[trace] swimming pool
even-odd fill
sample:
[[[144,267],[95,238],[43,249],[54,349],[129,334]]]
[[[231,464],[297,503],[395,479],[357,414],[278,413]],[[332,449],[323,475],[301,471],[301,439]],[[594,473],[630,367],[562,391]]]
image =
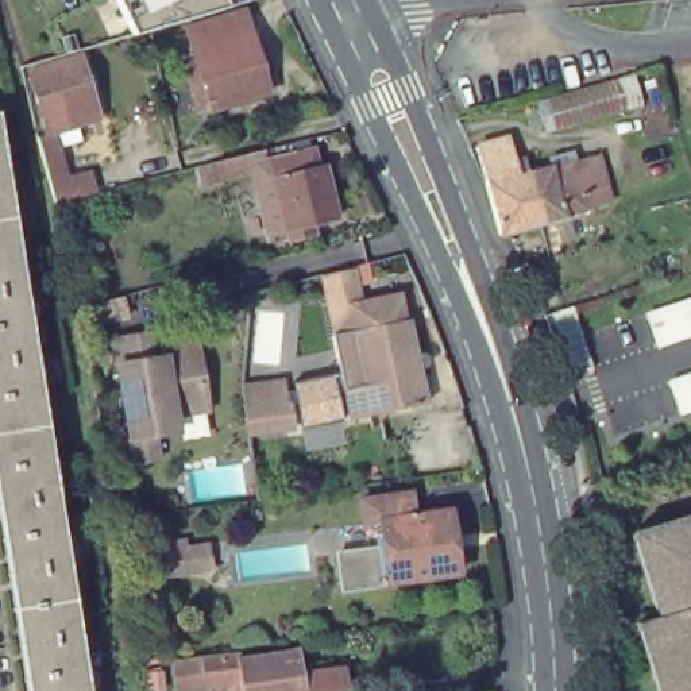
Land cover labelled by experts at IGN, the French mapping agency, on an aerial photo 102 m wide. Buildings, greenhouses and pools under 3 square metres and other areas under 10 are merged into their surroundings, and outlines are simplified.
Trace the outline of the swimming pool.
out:
[[[246,494],[246,480],[243,467],[219,464],[213,470],[194,472],[197,497],[229,497]]]
[[[270,370],[281,364],[281,310],[259,310],[256,310],[254,364],[265,364]]]
[[[302,545],[251,551],[248,545],[246,548],[238,556],[238,572],[248,583],[283,580],[294,572],[308,572],[313,564],[308,556],[308,545]]]

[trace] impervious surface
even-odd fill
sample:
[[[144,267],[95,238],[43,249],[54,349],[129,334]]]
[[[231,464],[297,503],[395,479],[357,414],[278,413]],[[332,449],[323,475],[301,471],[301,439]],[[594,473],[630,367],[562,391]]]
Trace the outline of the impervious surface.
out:
[[[81,121],[76,127],[81,132],[81,140],[65,151],[67,173],[92,175],[100,192],[108,192],[111,184],[103,173],[124,162],[121,151],[113,154],[111,148],[111,119],[105,116],[94,124]]]
[[[143,332],[151,308],[140,302],[130,310],[130,324],[121,324],[111,316],[103,319],[97,327],[105,337],[116,337]]]
[[[259,532],[248,545],[251,551],[302,545],[297,532],[273,537]]]
[[[227,594],[235,586],[248,583],[238,572],[238,556],[246,548],[229,543],[211,545],[217,572],[184,578],[200,580],[202,586],[219,591]]]
[[[254,364],[256,310],[238,313],[235,332],[243,335],[246,383],[283,381],[286,391],[294,391],[300,383],[329,378],[337,372],[332,348],[297,356],[300,305],[294,302],[283,305],[281,310],[281,364],[270,370],[265,364]]]
[[[583,224],[572,221],[572,229],[561,229],[556,219],[545,216],[543,227],[551,232],[553,251],[561,248],[561,243],[583,240]]]
[[[267,219],[254,208],[251,181],[232,178],[227,184],[232,189],[232,200],[238,202],[246,238],[259,238],[270,243],[275,235]]]
[[[346,445],[346,432],[351,426],[362,426],[351,413],[340,413],[340,418],[310,424],[302,437],[292,437],[297,448],[313,453],[332,445]]]
[[[100,5],[105,32],[127,30],[121,11],[111,0],[105,0]]]
[[[27,691],[16,629],[3,629],[0,607],[0,691]]]
[[[319,151],[324,143],[316,132],[289,138],[278,140],[281,146],[275,146],[270,154],[300,148]]]
[[[572,16],[572,8],[602,8],[626,3],[653,5],[651,22],[642,32],[605,30],[588,22],[578,22]],[[472,432],[475,451],[483,462],[480,483],[429,491],[418,499],[421,513],[437,507],[453,507],[459,513],[462,548],[467,561],[478,559],[478,545],[489,545],[491,540],[499,545],[505,591],[513,602],[502,610],[502,618],[494,621],[497,632],[497,656],[507,661],[507,669],[499,675],[502,691],[561,691],[580,661],[580,653],[564,642],[556,615],[561,605],[567,610],[575,610],[575,591],[572,586],[564,586],[556,575],[551,575],[548,540],[556,537],[556,524],[572,513],[575,499],[591,491],[591,483],[586,462],[572,456],[559,459],[556,451],[551,451],[543,443],[543,432],[548,416],[553,413],[559,413],[561,418],[578,418],[586,429],[597,424],[605,443],[624,445],[629,435],[645,435],[653,426],[675,426],[683,421],[683,416],[678,410],[669,383],[672,378],[691,372],[691,337],[664,348],[656,346],[648,316],[583,335],[591,358],[583,378],[580,391],[572,391],[570,399],[559,405],[518,405],[518,399],[510,391],[507,370],[502,362],[513,354],[513,348],[521,340],[526,340],[529,327],[491,327],[480,302],[480,294],[491,289],[497,270],[505,265],[507,254],[516,251],[513,240],[507,238],[497,235],[494,227],[478,146],[472,140],[470,124],[464,121],[464,108],[472,105],[475,97],[480,100],[480,105],[491,105],[548,84],[567,81],[570,86],[580,84],[586,92],[591,92],[634,76],[640,67],[659,65],[661,57],[672,59],[675,73],[691,65],[691,0],[283,0],[283,16],[294,24],[300,43],[310,57],[319,78],[321,84],[332,107],[329,116],[332,121],[327,127],[346,130],[354,121],[359,151],[348,151],[348,154],[354,162],[362,165],[370,186],[375,189],[372,200],[375,211],[383,211],[383,216],[378,221],[370,221],[370,232],[378,240],[346,246],[343,251],[327,251],[321,256],[302,259],[275,256],[267,267],[248,267],[240,259],[232,259],[224,270],[216,273],[213,283],[216,300],[270,287],[286,283],[321,274],[324,277],[371,265],[377,254],[404,248],[412,266],[412,270],[402,273],[372,270],[375,283],[362,289],[364,300],[405,294],[405,305],[416,327],[421,354],[435,356],[445,356],[451,364],[462,397],[462,416]]]
[[[194,472],[213,470],[219,464],[216,459],[197,459],[184,464],[184,475],[178,480],[178,491],[184,494],[192,516],[211,507],[227,507],[232,502],[229,497],[197,497]]]
[[[364,526],[364,532],[359,532],[356,526],[351,526],[351,540],[346,543],[346,548],[386,545],[386,534],[375,526]]]

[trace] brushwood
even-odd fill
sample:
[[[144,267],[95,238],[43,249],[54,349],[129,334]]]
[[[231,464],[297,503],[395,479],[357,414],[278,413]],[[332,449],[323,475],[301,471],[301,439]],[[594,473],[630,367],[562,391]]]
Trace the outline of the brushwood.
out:
[[[483,462],[475,451],[462,464],[424,470],[424,486],[429,491],[480,483]]]
[[[70,394],[78,394],[81,372],[78,351],[73,343],[73,327],[67,319],[57,313],[57,337],[67,389]]]
[[[480,607],[475,610],[478,621],[480,626],[491,626],[497,632],[494,621],[502,618],[502,610],[513,602],[505,591],[499,545],[491,540],[489,545],[478,545],[478,559],[467,561],[467,570],[489,570],[494,591],[489,599],[480,597]]]
[[[575,308],[578,316],[618,306],[626,297],[641,300],[691,283],[691,251],[667,254],[667,262],[675,267],[675,275],[642,281],[640,286],[618,289],[610,297],[578,305]]]
[[[683,97],[680,92],[669,92],[667,70],[664,65],[659,65],[640,67],[634,76],[642,103],[659,100],[669,111],[669,121],[680,127]]]
[[[491,105],[480,105],[480,100],[475,97],[472,105],[464,108],[464,121],[470,124],[491,116],[497,120],[513,119],[521,116],[526,108],[537,108],[540,100],[561,97],[570,86],[567,81],[548,84]]]
[[[0,92],[13,92],[13,84],[11,84],[11,73],[8,73],[8,51],[5,51],[5,43],[3,43],[3,38],[0,38]]]
[[[327,127],[327,138],[348,143],[348,151],[359,151],[354,121],[346,130]]]
[[[3,629],[16,629],[11,580],[0,583],[0,607]]]

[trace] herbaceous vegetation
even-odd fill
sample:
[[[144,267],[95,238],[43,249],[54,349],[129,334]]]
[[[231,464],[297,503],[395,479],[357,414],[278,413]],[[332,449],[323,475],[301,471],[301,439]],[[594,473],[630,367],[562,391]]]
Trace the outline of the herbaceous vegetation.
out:
[[[297,356],[332,348],[327,297],[321,286],[324,277],[321,274],[286,283],[294,289],[294,302],[300,305]]]
[[[216,300],[211,302],[211,310],[238,313],[256,310],[259,310],[259,305],[267,300],[270,287]]]
[[[89,445],[81,432],[86,426],[94,426],[100,418],[100,383],[94,378],[94,370],[81,372],[78,394],[70,394],[67,389],[57,337],[57,313],[54,297],[43,289],[43,275],[51,270],[51,227],[46,213],[46,197],[35,130],[30,121],[27,94],[16,67],[65,51],[65,35],[70,30],[81,30],[97,49],[89,51],[86,59],[97,81],[105,116],[111,119],[111,148],[113,154],[121,151],[121,132],[130,121],[135,127],[148,124],[148,146],[162,146],[165,151],[186,151],[192,146],[205,143],[200,138],[200,130],[205,127],[205,119],[200,113],[181,116],[178,111],[157,116],[157,78],[148,67],[132,65],[127,57],[127,46],[135,38],[127,30],[105,32],[100,5],[105,0],[0,0],[0,38],[3,38],[3,43],[5,43],[5,51],[8,51],[8,73],[11,73],[11,84],[13,84],[13,92],[0,92],[0,111],[5,113],[13,157],[32,297],[38,310],[57,448],[65,478],[67,518],[92,651],[94,691],[124,691],[119,686],[116,661],[111,653],[111,564],[105,556],[97,556],[94,543],[84,537],[84,513],[89,510],[89,505],[76,494],[73,480],[73,456],[78,456]]]
[[[626,297],[618,306],[578,316],[583,335],[648,316],[651,310],[691,300],[691,283],[641,300]]]
[[[316,470],[324,480],[327,475],[346,472],[346,464],[340,462],[348,459],[362,462],[359,497],[413,491],[418,499],[429,491],[424,486],[424,470],[416,464],[408,467],[410,472],[405,480],[386,480],[381,475],[381,467],[389,456],[410,453],[413,429],[405,426],[402,418],[386,416],[372,416],[372,424],[362,426],[351,426],[346,432],[346,445],[332,445],[313,453],[297,448],[292,437],[254,440],[251,435],[246,435],[246,405],[240,389],[246,383],[243,335],[235,332],[232,337],[216,335],[216,346],[208,348],[208,418],[208,426],[211,426],[208,437],[197,437],[197,440],[184,440],[184,437],[173,443],[165,459],[148,470],[151,480],[138,486],[138,502],[132,507],[140,507],[148,516],[159,518],[167,543],[186,540],[192,545],[211,545],[229,543],[227,526],[221,526],[219,537],[192,534],[192,516],[184,494],[178,491],[178,480],[167,472],[167,462],[186,445],[197,459],[216,459],[219,464],[243,467],[246,480],[278,464],[281,459],[286,464]]]
[[[391,618],[391,597],[397,588],[362,591],[356,599],[372,607],[375,615]]]
[[[618,518],[624,526],[624,564],[610,572],[607,583],[615,605],[624,613],[621,629],[632,637],[632,642],[624,645],[624,664],[626,678],[637,691],[656,691],[651,683],[651,667],[645,645],[637,634],[637,624],[656,621],[659,610],[642,591],[642,567],[634,551],[634,534],[691,516],[691,497],[672,499],[667,486],[656,486],[653,499],[659,502],[659,507],[629,507],[607,502],[605,494],[591,491],[575,499],[572,513],[575,518],[580,518],[597,510]]]
[[[200,610],[200,615],[213,607],[213,594],[219,591],[202,586],[200,580],[184,578],[165,583],[186,607]]]
[[[319,92],[294,94],[302,108],[302,121],[329,116],[332,107],[321,84]]]
[[[510,138],[524,170],[548,167],[548,157]]]
[[[232,200],[232,189],[227,184],[221,189],[202,192],[202,186],[197,186],[194,181],[194,170],[173,167],[167,175],[146,181],[148,192],[165,200],[165,208],[157,219],[127,221],[124,229],[116,238],[111,238],[111,246],[100,251],[100,265],[105,267],[105,294],[111,300],[124,297],[130,310],[140,302],[151,308],[157,281],[148,281],[143,270],[135,267],[135,262],[140,262],[140,251],[154,240],[170,246],[173,259],[181,262],[181,278],[186,283],[213,283],[216,273],[224,270],[232,259],[216,243],[216,238],[246,238],[238,202]]]
[[[591,483],[602,478],[615,480],[621,475],[640,472],[640,467],[645,464],[661,464],[669,451],[691,456],[691,413],[683,416],[683,421],[675,426],[653,426],[645,435],[629,435],[624,445],[605,443],[597,424],[586,429],[586,462]]]
[[[383,216],[383,211],[375,211],[372,200],[354,197],[348,202],[348,192],[337,194],[343,213],[329,221],[329,229],[351,221],[370,221],[378,221]]]
[[[578,22],[588,22],[605,30],[642,32],[651,22],[653,5],[626,3],[602,8],[572,8],[572,16]]]
[[[618,113],[607,113],[594,121],[580,121],[583,130],[615,127],[624,135],[624,165],[607,173],[610,192],[618,197],[597,208],[583,224],[583,240],[561,243],[561,248],[553,251],[553,259],[561,270],[561,286],[570,294],[578,294],[578,305],[610,297],[618,289],[640,286],[642,281],[675,275],[675,267],[667,262],[667,254],[691,251],[691,65],[675,73],[672,59],[661,57],[659,65],[664,65],[667,70],[669,92],[680,92],[683,97],[680,127],[669,121],[669,111],[659,100],[642,103],[642,108],[626,105]]]
[[[371,265],[372,270],[402,273],[412,270],[412,266],[404,248],[377,254]]]
[[[489,599],[494,591],[489,570],[467,570],[467,575],[470,580],[475,580],[480,597]]]
[[[313,78],[319,78],[310,57],[300,43],[294,24],[283,16],[273,27],[281,38],[283,57],[297,59],[310,70]]]
[[[208,634],[205,645],[189,637],[186,645],[194,656],[221,656],[227,653],[227,648],[238,632],[246,634],[259,629],[267,637],[265,648],[278,651],[289,651],[297,642],[275,632],[275,626],[270,624],[273,618],[294,607],[316,610],[316,615],[332,634],[346,634],[346,624],[364,621],[364,615],[354,613],[348,605],[354,599],[340,594],[335,567],[329,559],[319,556],[313,564],[308,572],[294,572],[283,580],[248,583],[235,586],[227,594],[232,599],[232,615],[216,624],[216,632]]]
[[[181,27],[167,27],[138,38],[143,49],[175,51],[181,59],[189,54],[189,40]]]
[[[246,494],[229,497],[232,502],[238,507],[238,516],[259,532],[273,537],[297,532],[351,526],[356,526],[362,518],[356,499],[316,502],[305,510],[292,507],[283,513],[267,513],[256,518],[259,502],[254,494]]]

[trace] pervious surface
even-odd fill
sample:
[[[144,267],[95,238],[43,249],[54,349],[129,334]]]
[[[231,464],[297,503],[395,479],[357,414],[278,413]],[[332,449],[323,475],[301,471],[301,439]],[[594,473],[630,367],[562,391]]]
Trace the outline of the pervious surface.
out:
[[[337,157],[348,154],[348,151],[348,143],[327,138],[327,127],[332,121],[329,116],[302,121],[289,132],[289,138],[316,132],[324,143],[319,151],[319,159],[329,165],[335,175],[340,175]]]
[[[516,251],[507,254],[505,265],[537,273],[543,278],[545,294],[540,297],[534,310],[543,321],[548,321],[553,321],[556,310],[575,308],[578,305],[578,294],[570,294],[561,286],[561,270],[553,259],[553,251],[551,232],[543,227],[507,238],[513,240]]]
[[[194,170],[216,162],[221,165],[232,157],[254,151],[270,154],[275,146],[281,146],[278,140],[254,143],[251,135],[246,135],[238,138],[235,151],[221,151],[219,143],[205,143],[192,146],[186,151],[165,151],[162,146],[148,146],[148,124],[135,127],[130,121],[121,132],[121,151],[124,162],[103,173],[111,184],[130,178],[146,181],[167,175],[173,167]]]
[[[205,416],[192,416],[192,418],[189,418],[189,424],[184,426],[184,437],[184,440],[197,440],[197,437],[208,437],[211,426],[208,426],[208,418],[205,418]]]
[[[602,159],[607,173],[624,165],[624,135],[615,127],[583,130],[580,121],[559,124],[551,132],[543,124],[537,108],[526,108],[521,116],[513,119],[497,120],[491,116],[470,124],[472,140],[478,146],[497,138],[510,138],[548,157],[575,151],[578,159]]]
[[[424,470],[462,464],[475,451],[472,432],[462,416],[462,397],[451,364],[445,356],[435,356],[435,367],[424,370],[426,389],[435,397],[424,405],[394,408],[386,416],[402,418],[405,426],[413,429],[410,453],[416,464]]]
[[[273,27],[283,16],[283,0],[265,0],[248,3],[248,13],[270,65],[273,84],[267,86],[267,94],[273,97],[294,94],[319,92],[321,84],[319,78],[313,78],[310,70],[297,59],[283,57],[281,38]]]

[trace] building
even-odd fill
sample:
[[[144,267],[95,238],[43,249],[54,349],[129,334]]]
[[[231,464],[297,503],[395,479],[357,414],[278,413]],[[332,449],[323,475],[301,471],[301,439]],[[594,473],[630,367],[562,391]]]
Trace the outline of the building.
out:
[[[543,227],[545,216],[556,219],[561,229],[572,229],[572,221],[583,224],[597,208],[618,197],[610,192],[607,173],[602,159],[578,159],[575,151],[548,157],[548,167],[524,170],[510,138],[497,138],[478,146],[494,227],[497,235],[507,238]]]
[[[308,556],[313,564],[319,556],[329,559],[335,567],[340,594],[354,599],[356,599],[362,591],[397,588],[453,580],[467,575],[467,570],[467,561],[462,548],[459,513],[453,507],[437,507],[421,513],[418,499],[413,491],[359,497],[356,499],[362,518],[356,526],[359,532],[364,532],[364,526],[375,526],[386,534],[386,545],[346,548],[346,543],[351,540],[351,526],[297,532],[302,545],[308,545]]]
[[[651,667],[651,683],[656,691],[691,691],[691,516],[634,534],[634,551],[642,567],[642,591],[659,610],[656,621],[637,624],[637,634],[645,645]]]
[[[551,132],[559,124],[580,121],[594,121],[607,113],[618,113],[626,105],[642,108],[642,103],[634,76],[591,92],[586,92],[580,84],[570,86],[561,97],[540,100],[537,108],[543,124]]]
[[[184,578],[217,572],[211,545],[192,545],[186,540],[167,543],[167,551],[162,553],[165,583]]]
[[[130,324],[130,310],[124,297],[111,300],[111,316],[121,324]]]
[[[372,270],[371,265],[324,277],[321,286],[327,297],[332,348],[337,372],[329,378],[300,383],[294,391],[286,391],[283,381],[246,383],[240,389],[246,405],[246,435],[251,435],[254,440],[292,437],[302,437],[310,424],[340,418],[340,413],[351,413],[362,426],[372,424],[372,416],[386,416],[394,408],[424,405],[435,397],[426,389],[424,370],[435,367],[435,356],[421,354],[416,327],[405,305],[405,294],[364,300],[362,289],[375,283]]]
[[[691,337],[691,300],[651,310],[648,316],[656,346],[664,348]]]
[[[683,416],[691,413],[691,372],[672,378],[669,383],[678,410]]]
[[[181,116],[200,113],[205,119],[213,113],[251,113],[273,97],[267,94],[267,86],[273,84],[270,65],[248,13],[248,3],[265,0],[111,0],[121,11],[127,30],[135,38],[138,38],[167,27],[181,27],[189,40],[189,54],[181,59],[184,70],[189,70],[192,78],[189,100],[178,111]]]
[[[232,157],[221,165],[216,162],[194,170],[194,181],[197,186],[202,186],[202,192],[221,189],[227,184],[232,178],[251,181],[254,208],[267,219],[275,235],[270,243],[289,246],[300,240],[313,240],[319,238],[319,229],[329,229],[329,221],[343,213],[337,194],[335,175],[329,165],[319,159],[319,151],[300,148],[270,154],[254,151]]]
[[[0,111],[0,583],[11,580],[16,629],[27,691],[94,691],[92,651],[67,518],[65,478],[57,448],[38,310],[32,297],[13,157],[5,113]]]
[[[86,59],[89,51],[97,49],[81,30],[70,30],[65,35],[65,51],[16,67],[27,94],[30,121],[35,130],[46,197],[57,202],[76,197],[92,200],[100,192],[92,175],[67,173],[65,151],[81,140],[81,132],[76,127],[81,121],[94,124],[105,116],[97,81]]]
[[[553,321],[548,321],[543,332],[564,337],[570,343],[578,359],[575,375],[583,378],[591,358],[583,335],[578,316],[575,308],[556,310]]]
[[[103,367],[113,381],[119,381],[121,408],[127,416],[127,435],[130,443],[140,448],[148,470],[165,459],[173,443],[184,437],[184,426],[189,424],[189,418],[192,418],[192,416],[205,416],[205,418],[208,418],[208,348],[162,346],[143,332],[116,337],[116,356],[108,356],[103,348],[94,356],[94,364]]]
[[[194,656],[175,659],[173,667],[162,664],[162,672],[151,672],[148,686],[154,691],[348,691],[351,675],[346,667],[305,669],[305,648],[297,642],[289,651],[278,651],[254,653],[251,648],[227,648],[227,653],[221,656]]]

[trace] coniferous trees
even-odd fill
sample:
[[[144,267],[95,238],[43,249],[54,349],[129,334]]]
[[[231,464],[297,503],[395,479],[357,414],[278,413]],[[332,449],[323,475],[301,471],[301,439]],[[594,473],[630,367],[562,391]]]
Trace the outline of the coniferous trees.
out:
[[[551,451],[556,451],[559,459],[572,456],[586,462],[586,429],[578,418],[561,418],[559,413],[553,413],[548,416],[543,432],[543,443]]]
[[[540,297],[545,294],[543,278],[537,273],[505,265],[497,270],[491,289],[480,294],[480,302],[491,327],[529,327],[526,340],[521,340],[513,348],[513,354],[502,362],[507,370],[510,391],[518,399],[518,405],[559,405],[570,399],[572,391],[580,391],[583,378],[575,375],[578,359],[570,343],[564,337],[543,332],[548,321],[543,321],[534,310]]]
[[[548,540],[551,575],[556,575],[564,586],[572,586],[575,591],[575,610],[567,610],[561,605],[556,615],[564,642],[580,653],[580,661],[561,691],[637,691],[626,678],[624,664],[624,645],[632,642],[632,637],[621,629],[624,613],[615,605],[607,583],[610,572],[624,564],[624,526],[618,518],[597,510],[580,518],[575,518],[572,513],[556,524],[556,537]]]

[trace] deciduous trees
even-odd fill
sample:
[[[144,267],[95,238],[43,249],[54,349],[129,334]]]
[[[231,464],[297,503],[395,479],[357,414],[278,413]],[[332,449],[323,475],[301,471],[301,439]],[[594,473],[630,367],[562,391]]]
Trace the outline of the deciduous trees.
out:
[[[143,49],[138,38],[135,38],[127,46],[127,57],[132,65],[148,67],[157,78],[157,116],[178,111],[189,100],[192,78],[189,70],[184,70],[181,59],[175,51]]]
[[[362,165],[354,162],[348,154],[337,157],[340,175],[335,175],[337,194],[348,192],[348,202],[354,197],[372,200],[375,189],[370,186]]]
[[[267,300],[259,305],[259,310],[281,310],[283,305],[294,302],[294,289],[286,283],[270,287]]]
[[[305,510],[316,502],[356,499],[359,497],[362,462],[348,459],[340,462],[346,464],[346,472],[327,475],[324,480],[316,470],[286,464],[281,459],[278,464],[246,480],[246,494],[254,494],[259,502],[256,518],[267,513],[283,513],[292,507]]]
[[[167,462],[167,472],[178,480],[184,475],[184,464],[197,459],[186,445]]]
[[[305,648],[305,669],[346,667],[351,675],[348,691],[502,691],[499,675],[507,669],[507,661],[497,656],[497,632],[491,626],[480,626],[478,621],[475,610],[480,607],[480,597],[475,580],[470,580],[467,575],[453,580],[397,588],[391,597],[391,618],[375,615],[372,607],[356,599],[354,599],[348,605],[354,613],[364,615],[364,621],[346,624],[346,634],[332,634],[316,615],[316,610],[294,607],[273,618],[270,624],[275,626],[275,632],[297,642]]]
[[[246,548],[248,545],[259,532],[238,516],[238,507],[232,502],[227,507],[211,507],[192,516],[192,534],[219,537],[221,526],[227,526],[229,543]]]
[[[370,221],[351,221],[329,229],[319,229],[319,238],[313,240],[300,240],[289,246],[270,243],[259,238],[246,238],[216,238],[216,243],[232,259],[240,259],[248,267],[267,267],[275,256],[302,259],[321,256],[327,251],[343,251],[346,246],[378,240],[370,232]]]
[[[254,143],[278,140],[289,138],[289,132],[302,121],[302,108],[294,94],[273,97],[251,113],[213,113],[205,119],[205,127],[200,130],[200,138],[205,143],[219,143],[221,151],[235,151],[238,138],[246,135],[251,135]]]
[[[389,456],[381,467],[381,475],[386,480],[405,480],[410,472],[408,467],[416,464],[410,453]]]
[[[167,543],[159,518],[148,516],[140,507],[132,507],[138,502],[138,486],[151,480],[148,470],[140,448],[130,443],[127,435],[127,416],[121,408],[119,381],[113,381],[103,367],[94,364],[94,356],[103,348],[108,356],[116,356],[116,337],[105,337],[97,327],[103,319],[111,316],[111,300],[105,294],[105,267],[100,265],[100,251],[111,246],[111,238],[116,238],[124,229],[127,221],[157,219],[165,208],[165,200],[148,192],[146,181],[130,178],[111,184],[108,192],[100,192],[92,200],[76,197],[57,202],[46,197],[46,213],[51,227],[51,270],[43,275],[43,289],[54,297],[57,313],[67,319],[73,327],[73,343],[78,351],[81,372],[94,370],[94,378],[100,383],[100,418],[94,426],[86,426],[81,432],[89,445],[78,456],[73,456],[73,480],[76,494],[89,505],[89,510],[84,513],[84,537],[94,543],[97,556],[105,556],[111,564],[111,653],[116,661],[119,686],[124,691],[154,691],[148,686],[151,672],[162,672],[162,664],[173,667],[175,659],[194,656],[186,645],[189,637],[205,645],[208,634],[216,632],[216,624],[232,615],[232,599],[227,594],[219,591],[213,594],[213,607],[200,615],[200,610],[186,607],[165,583],[162,553],[167,551]]]
[[[162,346],[208,348],[216,346],[216,335],[232,337],[235,332],[238,313],[211,310],[211,302],[216,300],[213,283],[186,283],[181,278],[181,262],[173,259],[170,246],[154,240],[140,251],[140,262],[135,262],[135,267],[143,270],[148,281],[157,281],[151,308],[143,332]]]
[[[659,502],[653,499],[656,486],[667,486],[672,499],[691,497],[691,456],[669,451],[661,464],[645,464],[640,467],[640,472],[621,475],[615,480],[602,478],[591,483],[591,491],[605,494],[607,502],[629,507],[659,507]]]
[[[246,634],[238,632],[227,648],[251,648],[254,653],[278,651],[265,648],[267,637],[259,629]]]

